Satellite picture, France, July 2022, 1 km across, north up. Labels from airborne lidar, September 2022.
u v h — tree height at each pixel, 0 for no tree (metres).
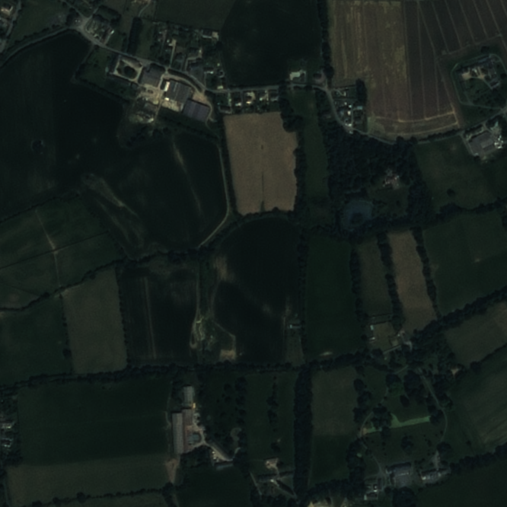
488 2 0
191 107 0
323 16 22
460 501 0
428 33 0
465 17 0
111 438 0
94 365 0
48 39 6
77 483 0
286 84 6
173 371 15
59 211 0
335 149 15
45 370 0
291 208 0
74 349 0
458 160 0
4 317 0
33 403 0
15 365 0
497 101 12
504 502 0
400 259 0
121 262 12
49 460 0
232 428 0
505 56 0
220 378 0
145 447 0
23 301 0
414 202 30
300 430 24
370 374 0
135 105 0
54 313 0
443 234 0
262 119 0
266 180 0
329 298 0
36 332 0
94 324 0
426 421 0
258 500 16
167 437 0
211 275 0
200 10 0
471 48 0
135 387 0
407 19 0
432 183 0
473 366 13
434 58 0
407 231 0
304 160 15
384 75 0
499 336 0
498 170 0
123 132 0
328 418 0
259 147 0
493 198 0
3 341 0
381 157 19
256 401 0
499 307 0
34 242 0
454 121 0
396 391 29
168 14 0
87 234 0
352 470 15
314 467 0
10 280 0
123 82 0
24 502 0
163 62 10
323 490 26
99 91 10
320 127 9
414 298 0
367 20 0
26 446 0
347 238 11
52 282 0
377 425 15
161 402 0
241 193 0
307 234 7
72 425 0
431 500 0
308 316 0
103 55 0
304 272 8
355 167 11
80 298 0
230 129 0
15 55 6
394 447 0
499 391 0
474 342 0
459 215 27
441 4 0
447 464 18
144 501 0
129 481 0
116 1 0
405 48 0
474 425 0
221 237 9
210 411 0
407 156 20
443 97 0
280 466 13
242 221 7
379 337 0
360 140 18
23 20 0
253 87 6
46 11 0
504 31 0
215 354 0
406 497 22
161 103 0
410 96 0
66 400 0
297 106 0
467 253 0
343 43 0
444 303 0
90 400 0
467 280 0
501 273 0
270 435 0
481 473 0
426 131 0
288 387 0
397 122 0
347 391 0
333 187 29
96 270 6
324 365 14
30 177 0
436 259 0
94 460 0
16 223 0
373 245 0
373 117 0
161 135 9
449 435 0
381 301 0
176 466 0
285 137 0
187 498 0
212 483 0
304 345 12
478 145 0
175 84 0
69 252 0
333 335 0
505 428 0
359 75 0
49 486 0
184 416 0
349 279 0
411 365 19
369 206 0
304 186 15
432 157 0
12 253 0
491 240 0
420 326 0
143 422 0
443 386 23
